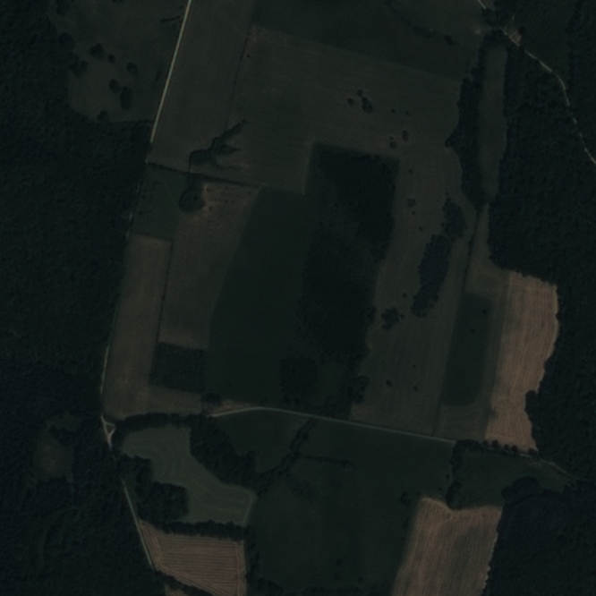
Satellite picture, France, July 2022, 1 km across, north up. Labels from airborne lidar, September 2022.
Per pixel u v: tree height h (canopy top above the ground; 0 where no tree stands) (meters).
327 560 0
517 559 16
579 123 14
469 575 0
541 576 17
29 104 13
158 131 0
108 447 15
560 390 18
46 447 0
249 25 0
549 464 0
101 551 18
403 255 0
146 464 17
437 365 0
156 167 9
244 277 0
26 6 11
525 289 0
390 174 14
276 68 0
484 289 0
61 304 15
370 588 0
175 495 12
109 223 17
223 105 0
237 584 0
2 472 19
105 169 11
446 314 0
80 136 12
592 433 14
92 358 18
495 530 0
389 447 0
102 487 8
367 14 0
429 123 0
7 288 16
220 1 0
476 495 0
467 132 21
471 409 0
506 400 0
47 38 18
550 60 0
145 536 0
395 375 0
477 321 0
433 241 6
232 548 0
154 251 0
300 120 0
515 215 15
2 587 20
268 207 0
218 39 0
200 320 0
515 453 12
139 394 0
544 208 15
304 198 0
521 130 18
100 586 15
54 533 17
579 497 25
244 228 0
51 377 20
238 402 0
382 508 0
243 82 0
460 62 0
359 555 0
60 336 15
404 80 0
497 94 0
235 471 10
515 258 20
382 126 0
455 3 0
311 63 0
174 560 0
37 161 15
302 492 7
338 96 0
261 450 0
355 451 0
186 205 7
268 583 13
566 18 0
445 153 0
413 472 0
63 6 16
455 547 0
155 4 0
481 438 0
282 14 0
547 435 14
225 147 6
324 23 0
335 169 7
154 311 0
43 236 14
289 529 0
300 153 0
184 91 0
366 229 8
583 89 10
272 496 0
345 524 0
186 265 0
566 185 17
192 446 8
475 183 24
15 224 11
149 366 0
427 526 0
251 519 0
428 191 0
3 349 13
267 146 0
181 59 0
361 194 11
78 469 21
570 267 13
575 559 19
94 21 0
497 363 0
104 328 16
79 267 18
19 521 22
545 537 19
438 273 10
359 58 0
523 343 0
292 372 10
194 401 0
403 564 0
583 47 14
